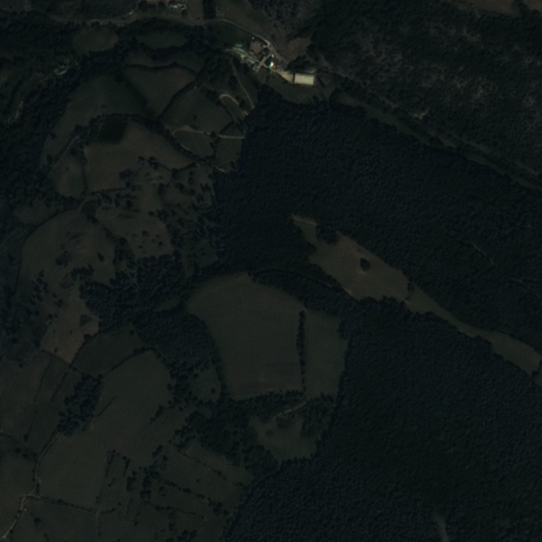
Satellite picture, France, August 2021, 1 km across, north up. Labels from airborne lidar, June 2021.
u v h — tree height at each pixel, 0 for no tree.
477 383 17
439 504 18
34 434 0
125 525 0
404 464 18
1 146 14
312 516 18
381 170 9
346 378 13
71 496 0
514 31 12
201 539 0
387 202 17
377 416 15
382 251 14
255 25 0
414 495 20
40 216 0
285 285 10
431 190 16
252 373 0
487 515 16
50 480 0
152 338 19
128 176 16
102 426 0
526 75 10
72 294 0
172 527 8
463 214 17
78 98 0
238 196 15
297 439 0
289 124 21
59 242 0
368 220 21
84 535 0
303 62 11
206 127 0
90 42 0
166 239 0
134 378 0
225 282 0
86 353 0
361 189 18
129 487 10
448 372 15
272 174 23
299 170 17
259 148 23
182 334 19
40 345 11
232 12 0
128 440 0
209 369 9
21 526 0
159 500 0
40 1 16
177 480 0
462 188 22
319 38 21
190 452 0
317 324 0
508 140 11
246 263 19
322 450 17
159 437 0
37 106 8
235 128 7
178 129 0
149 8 15
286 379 0
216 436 13
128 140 0
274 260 17
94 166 0
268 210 23
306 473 19
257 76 0
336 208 17
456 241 21
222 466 0
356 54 10
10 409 0
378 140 21
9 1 0
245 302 0
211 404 11
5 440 0
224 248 12
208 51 28
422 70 7
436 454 16
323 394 0
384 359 16
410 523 18
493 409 18
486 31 14
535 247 18
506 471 16
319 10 7
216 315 0
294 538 13
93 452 0
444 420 13
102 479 0
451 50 9
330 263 0
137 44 23
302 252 17
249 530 14
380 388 16
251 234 22
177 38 0
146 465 0
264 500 16
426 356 18
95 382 16
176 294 13
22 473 0
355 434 16
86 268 0
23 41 26
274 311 0
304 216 12
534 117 5
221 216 15
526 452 12
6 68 15
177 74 0
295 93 0
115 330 8
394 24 9
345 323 15
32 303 8
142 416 0
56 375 0
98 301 18
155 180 0
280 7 11
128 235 0
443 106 8
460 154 7
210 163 6
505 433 16
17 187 21
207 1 8
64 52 23
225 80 0
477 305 10
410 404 16
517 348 0
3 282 0
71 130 0
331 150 14
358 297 0
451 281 9
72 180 0
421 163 21
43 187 22
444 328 17
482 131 15
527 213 33
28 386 0
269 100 22
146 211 0
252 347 0
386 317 23
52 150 0
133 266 15
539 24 10
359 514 13
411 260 15
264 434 0
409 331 21
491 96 8
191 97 0
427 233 16
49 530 0
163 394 0
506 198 22
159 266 8
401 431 14
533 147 11
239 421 15
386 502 13
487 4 0
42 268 0
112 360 0
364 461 15
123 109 0
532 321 13
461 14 8
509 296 12
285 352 0
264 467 13
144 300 14
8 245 0
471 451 17
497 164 8
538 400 18
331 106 13
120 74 7
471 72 8
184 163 0
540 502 17
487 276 11
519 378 17
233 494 0
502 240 27
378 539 11
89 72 26
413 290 8
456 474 18
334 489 18
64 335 0
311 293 17
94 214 0
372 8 11
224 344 0
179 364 16
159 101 0
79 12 8
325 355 0
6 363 0
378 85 7
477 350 22
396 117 7
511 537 18
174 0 0
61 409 0
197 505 0
